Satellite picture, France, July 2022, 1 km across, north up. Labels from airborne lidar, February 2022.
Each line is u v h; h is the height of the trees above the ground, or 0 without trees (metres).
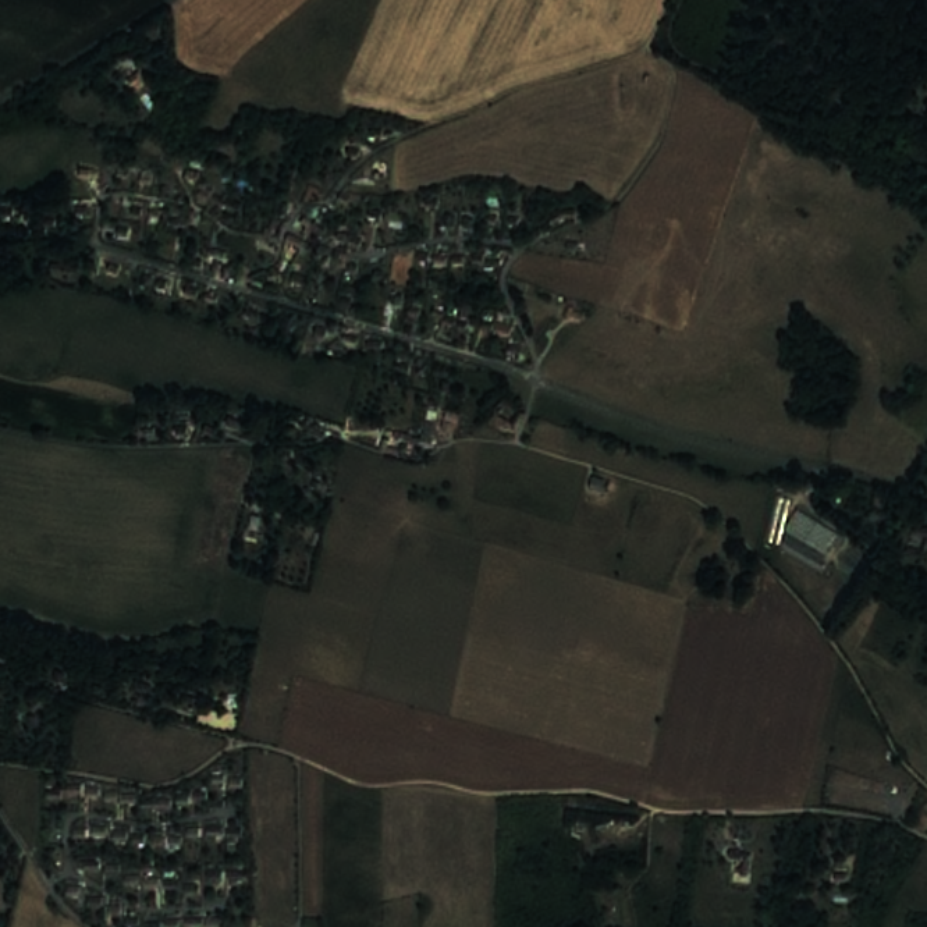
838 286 0
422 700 0
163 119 15
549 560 0
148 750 0
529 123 0
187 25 0
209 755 0
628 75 0
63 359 0
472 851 0
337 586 0
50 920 0
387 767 0
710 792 0
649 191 0
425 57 0
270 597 0
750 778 0
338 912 0
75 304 0
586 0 0
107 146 7
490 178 7
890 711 0
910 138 15
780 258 0
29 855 0
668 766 0
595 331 0
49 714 7
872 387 0
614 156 0
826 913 7
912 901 0
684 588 0
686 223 0
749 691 0
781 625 0
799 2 30
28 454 0
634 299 0
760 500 0
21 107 18
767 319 0
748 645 0
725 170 0
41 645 25
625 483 0
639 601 0
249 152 8
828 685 0
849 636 0
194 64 0
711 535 0
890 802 0
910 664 0
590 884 10
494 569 0
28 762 10
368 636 0
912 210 8
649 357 0
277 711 0
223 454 0
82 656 20
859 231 0
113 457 0
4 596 0
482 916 0
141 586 0
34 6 0
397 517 0
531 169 0
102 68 15
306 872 0
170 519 0
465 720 0
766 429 0
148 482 0
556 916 8
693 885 6
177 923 0
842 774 0
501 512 0
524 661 0
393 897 0
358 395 0
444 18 0
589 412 0
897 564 22
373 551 0
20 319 0
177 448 0
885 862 8
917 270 0
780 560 0
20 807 0
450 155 0
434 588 0
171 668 11
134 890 0
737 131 0
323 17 0
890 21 30
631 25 0
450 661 0
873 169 12
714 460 0
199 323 7
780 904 14
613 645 0
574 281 0
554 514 0
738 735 0
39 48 0
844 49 25
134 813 8
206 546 0
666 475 0
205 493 0
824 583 0
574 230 0
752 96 16
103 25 0
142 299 9
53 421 0
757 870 0
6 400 0
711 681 0
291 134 10
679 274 0
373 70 0
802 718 0
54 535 0
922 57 21
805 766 0
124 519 0
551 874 10
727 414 0
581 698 0
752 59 24
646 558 0
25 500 0
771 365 0
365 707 0
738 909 0
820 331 20
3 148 0
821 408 24
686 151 0
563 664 0
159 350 0
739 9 0
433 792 0
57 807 7
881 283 0
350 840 0
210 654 15
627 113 0
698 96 0
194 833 0
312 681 0
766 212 0
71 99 0
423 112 0
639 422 0
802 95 18
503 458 0
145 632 0
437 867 0
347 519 0
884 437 0
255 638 10
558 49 0
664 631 0
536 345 0
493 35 0
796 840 6
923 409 0
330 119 9
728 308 0
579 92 0
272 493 10
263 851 0
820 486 25
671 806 0
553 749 0
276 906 0
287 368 0
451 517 0
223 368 0
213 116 0
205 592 0
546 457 0
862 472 0
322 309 8
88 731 0
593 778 0
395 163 0
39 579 0
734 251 0
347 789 0
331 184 0
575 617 0
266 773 0
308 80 0
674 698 0
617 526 0
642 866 11
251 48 0
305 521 7
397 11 0
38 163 0
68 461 0
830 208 0
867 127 14
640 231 0
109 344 0
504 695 0
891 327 0
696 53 0
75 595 0
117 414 0
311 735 0
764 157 0
